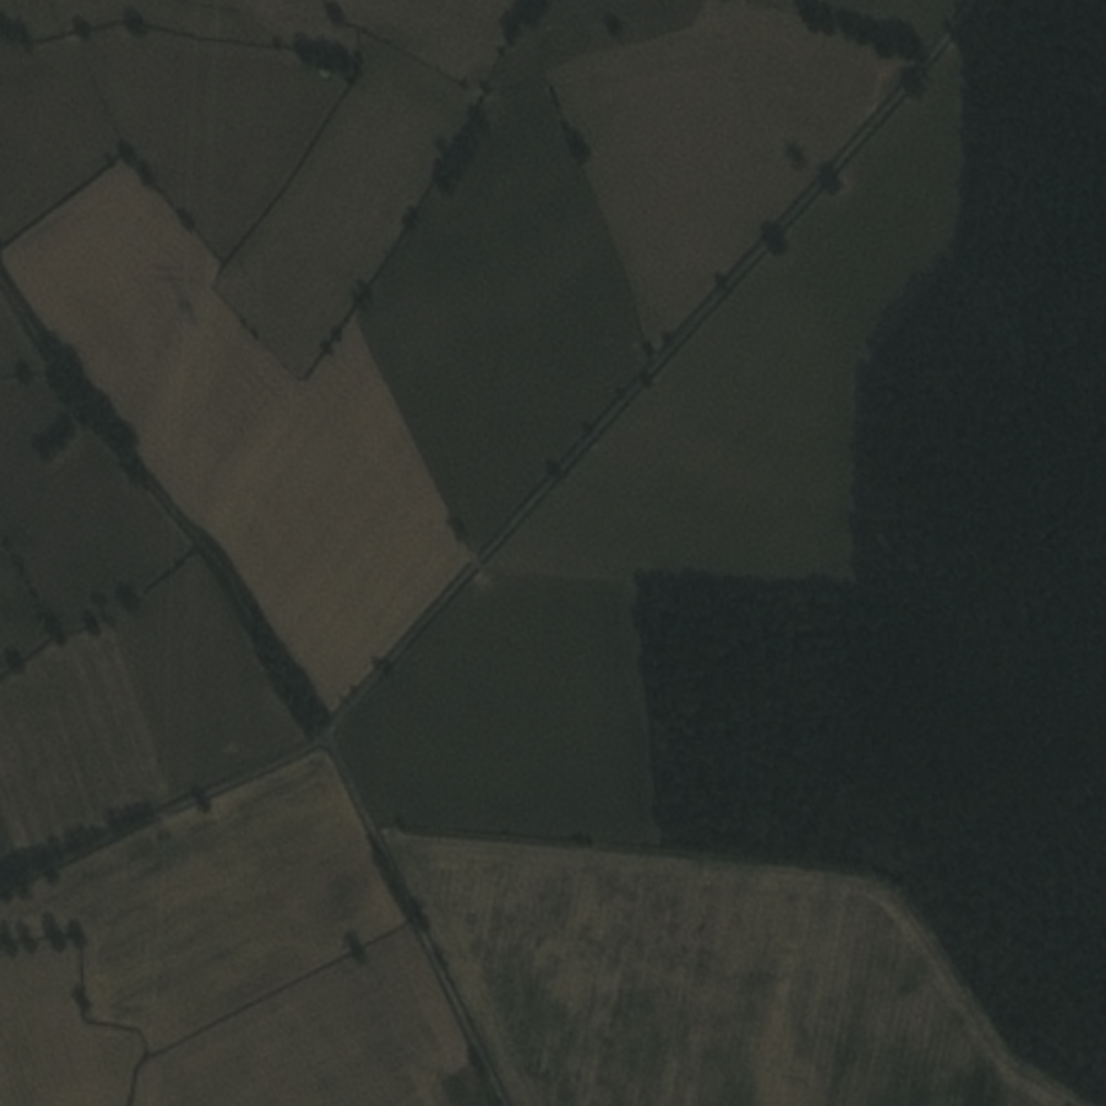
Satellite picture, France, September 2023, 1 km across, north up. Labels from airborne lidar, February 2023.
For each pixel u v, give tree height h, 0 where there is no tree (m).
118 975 0
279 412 0
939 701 32
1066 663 34
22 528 0
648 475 0
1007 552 33
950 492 32
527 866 0
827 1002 0
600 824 0
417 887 0
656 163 0
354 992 0
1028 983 27
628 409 0
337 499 0
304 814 0
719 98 0
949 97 0
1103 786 31
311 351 0
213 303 0
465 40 0
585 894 0
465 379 0
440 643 0
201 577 0
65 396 14
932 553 34
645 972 0
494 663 0
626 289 0
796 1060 0
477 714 0
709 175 0
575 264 0
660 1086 0
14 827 0
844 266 0
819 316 0
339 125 0
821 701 23
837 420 0
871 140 0
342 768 0
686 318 0
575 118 0
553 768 0
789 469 0
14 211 0
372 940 0
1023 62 30
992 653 34
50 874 18
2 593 0
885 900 0
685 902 0
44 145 0
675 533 0
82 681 0
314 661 0
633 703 0
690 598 22
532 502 0
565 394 0
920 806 29
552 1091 0
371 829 0
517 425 0
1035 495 33
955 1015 0
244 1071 0
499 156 0
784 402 0
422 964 0
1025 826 31
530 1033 0
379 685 0
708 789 25
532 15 17
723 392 0
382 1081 0
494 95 0
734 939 0
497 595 0
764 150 0
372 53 0
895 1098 0
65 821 0
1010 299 31
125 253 0
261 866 0
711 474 0
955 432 30
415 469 0
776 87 0
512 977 0
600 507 0
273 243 0
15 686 0
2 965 0
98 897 0
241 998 0
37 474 0
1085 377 33
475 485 0
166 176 0
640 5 0
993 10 28
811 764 26
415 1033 0
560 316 0
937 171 0
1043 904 26
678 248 0
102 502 0
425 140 0
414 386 0
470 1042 0
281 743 0
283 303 0
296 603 0
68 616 0
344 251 0
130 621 0
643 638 11
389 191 0
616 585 0
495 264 0
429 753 0
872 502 26
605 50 0
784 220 0
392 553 0
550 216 0
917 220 0
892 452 28
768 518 0
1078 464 32
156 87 0
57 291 0
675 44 0
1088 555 36
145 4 0
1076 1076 18
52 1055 0
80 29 14
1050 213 29
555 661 0
